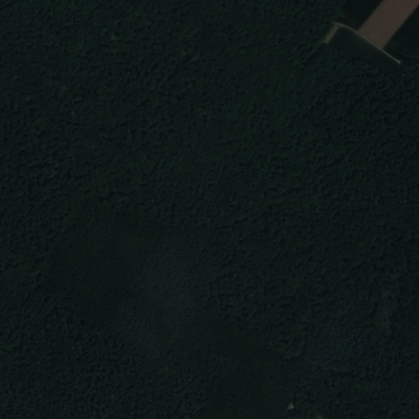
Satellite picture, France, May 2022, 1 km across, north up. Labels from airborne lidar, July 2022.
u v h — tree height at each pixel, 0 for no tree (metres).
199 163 21
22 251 30
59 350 25
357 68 27
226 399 19
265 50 18
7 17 22
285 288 31
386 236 26
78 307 18
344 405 31
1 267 31
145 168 31
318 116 11
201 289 16
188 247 15
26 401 26
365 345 26
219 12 28
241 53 21
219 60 24
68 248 16
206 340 13
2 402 22
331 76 20
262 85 25
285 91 24
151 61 27
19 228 28
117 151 28
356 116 28
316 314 26
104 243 12
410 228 24
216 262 19
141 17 26
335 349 33
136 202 15
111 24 26
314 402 30
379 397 32
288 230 28
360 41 0
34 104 28
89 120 31
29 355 22
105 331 17
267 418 20
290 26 25
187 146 20
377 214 24
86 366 19
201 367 15
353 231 32
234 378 17
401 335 22
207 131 23
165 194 26
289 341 24
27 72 23
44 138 34
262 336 22
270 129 24
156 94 30
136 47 27
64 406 15
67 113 29
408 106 24
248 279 37
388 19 0
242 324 27
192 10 29
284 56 22
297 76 21
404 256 28
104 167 31
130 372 17
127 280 14
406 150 27
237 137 23
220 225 19
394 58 0
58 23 23
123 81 31
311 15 29
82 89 8
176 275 19
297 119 26
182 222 21
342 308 34
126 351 18
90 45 26
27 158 25
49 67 27
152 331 11
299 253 30
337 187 25
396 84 24
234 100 23
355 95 29
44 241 29
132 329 13
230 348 18
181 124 26
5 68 25
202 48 25
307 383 28
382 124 27
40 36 21
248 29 22
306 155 23
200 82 25
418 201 24
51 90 27
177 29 33
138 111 32
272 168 25
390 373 25
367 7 0
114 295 16
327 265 30
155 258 15
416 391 27
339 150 21
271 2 22
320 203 27
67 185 32
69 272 16
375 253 30
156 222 16
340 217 29
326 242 29
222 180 20
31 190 28
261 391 17
